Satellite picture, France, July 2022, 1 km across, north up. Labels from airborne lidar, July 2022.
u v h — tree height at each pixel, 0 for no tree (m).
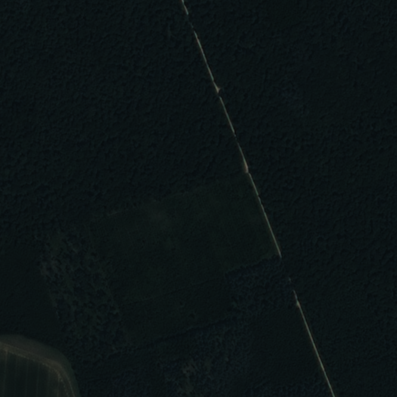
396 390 16
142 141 24
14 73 20
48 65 24
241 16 22
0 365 0
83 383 21
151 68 12
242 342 19
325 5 23
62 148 25
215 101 28
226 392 20
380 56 26
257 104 20
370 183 22
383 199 21
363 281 19
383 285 27
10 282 12
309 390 24
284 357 17
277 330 16
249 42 25
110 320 24
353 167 23
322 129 23
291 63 30
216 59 24
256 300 20
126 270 7
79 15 22
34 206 26
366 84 28
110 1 23
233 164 26
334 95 31
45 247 19
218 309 6
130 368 12
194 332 22
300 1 22
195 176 24
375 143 23
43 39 17
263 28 23
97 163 31
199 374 15
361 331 15
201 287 8
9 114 24
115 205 21
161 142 23
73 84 19
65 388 0
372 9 25
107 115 22
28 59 22
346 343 18
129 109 29
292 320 15
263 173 27
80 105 25
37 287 11
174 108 24
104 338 20
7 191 19
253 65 18
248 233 6
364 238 19
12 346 0
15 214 24
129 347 12
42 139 25
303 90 27
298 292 8
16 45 19
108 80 24
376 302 22
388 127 23
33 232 13
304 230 23
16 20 18
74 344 24
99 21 24
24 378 0
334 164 21
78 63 15
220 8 27
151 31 23
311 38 27
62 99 19
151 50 27
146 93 25
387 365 19
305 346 18
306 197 19
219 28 28
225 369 19
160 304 6
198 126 22
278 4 24
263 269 28
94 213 23
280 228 15
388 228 23
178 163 25
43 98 18
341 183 24
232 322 30
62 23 23
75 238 27
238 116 20
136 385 20
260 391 31
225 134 27
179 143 25
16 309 11
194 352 26
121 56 25
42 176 27
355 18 24
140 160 22
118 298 7
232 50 27
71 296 21
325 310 17
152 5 25
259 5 24
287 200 25
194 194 6
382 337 11
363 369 17
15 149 27
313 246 27
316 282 17
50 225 22
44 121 18
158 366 20
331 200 23
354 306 17
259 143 23
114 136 29
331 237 27
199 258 6
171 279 6
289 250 19
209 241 8
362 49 28
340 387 20
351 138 24
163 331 5
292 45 21
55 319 13
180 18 20
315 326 18
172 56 20
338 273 16
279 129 29
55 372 0
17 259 12
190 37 23
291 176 21
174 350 23
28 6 20
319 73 31
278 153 24
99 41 22
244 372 19
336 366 15
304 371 17
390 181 21
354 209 21
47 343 14
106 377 22
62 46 23
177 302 6
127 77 20
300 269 22
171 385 24
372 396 19
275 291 19
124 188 26
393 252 23
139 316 7
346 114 23
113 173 23
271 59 23
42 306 13
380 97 26
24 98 28
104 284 23
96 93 20
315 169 21
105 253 6
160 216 0
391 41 26
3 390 0
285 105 24
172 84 18
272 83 25
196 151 26
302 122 23
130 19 23
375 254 28
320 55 30
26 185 26
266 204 22
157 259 7
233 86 20
